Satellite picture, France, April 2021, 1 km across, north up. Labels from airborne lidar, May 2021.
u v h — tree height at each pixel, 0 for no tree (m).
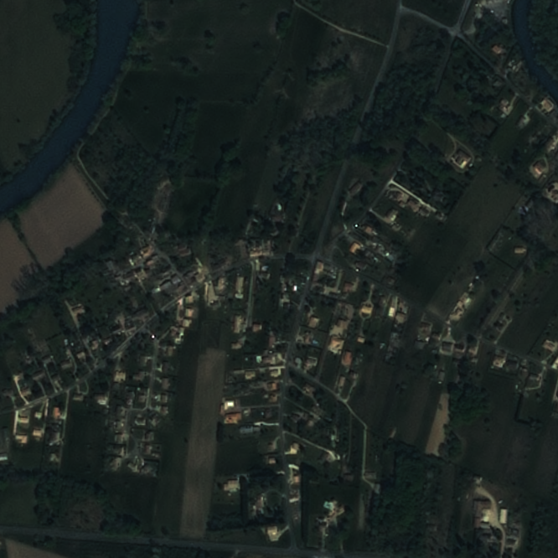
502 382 0
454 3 0
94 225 0
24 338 0
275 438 0
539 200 16
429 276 0
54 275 14
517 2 0
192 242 9
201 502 0
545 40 17
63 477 11
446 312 0
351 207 13
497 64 7
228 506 0
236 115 0
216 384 0
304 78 0
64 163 9
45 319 0
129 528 20
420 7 0
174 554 6
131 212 22
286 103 0
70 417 0
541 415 0
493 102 11
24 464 0
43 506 19
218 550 0
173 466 0
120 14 0
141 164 14
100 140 7
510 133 0
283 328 11
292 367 0
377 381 0
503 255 0
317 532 12
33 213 0
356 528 0
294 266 15
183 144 24
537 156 8
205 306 0
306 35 0
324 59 0
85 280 25
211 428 0
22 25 0
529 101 0
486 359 0
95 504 7
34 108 0
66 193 0
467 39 13
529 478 0
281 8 0
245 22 0
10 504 0
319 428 19
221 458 0
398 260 7
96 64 0
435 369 10
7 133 0
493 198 0
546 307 0
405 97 25
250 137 0
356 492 0
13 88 0
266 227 13
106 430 9
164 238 22
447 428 11
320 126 12
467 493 0
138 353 7
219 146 0
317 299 8
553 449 0
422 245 0
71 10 21
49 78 0
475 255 0
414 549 16
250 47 0
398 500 27
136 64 16
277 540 0
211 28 0
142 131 0
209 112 0
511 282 10
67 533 0
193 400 0
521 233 8
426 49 7
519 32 0
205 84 0
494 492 0
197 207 0
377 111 10
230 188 0
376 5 0
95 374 9
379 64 0
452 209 8
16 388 0
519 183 11
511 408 0
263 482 16
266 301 0
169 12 0
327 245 0
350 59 13
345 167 0
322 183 9
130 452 0
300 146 15
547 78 0
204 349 0
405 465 19
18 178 0
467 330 0
